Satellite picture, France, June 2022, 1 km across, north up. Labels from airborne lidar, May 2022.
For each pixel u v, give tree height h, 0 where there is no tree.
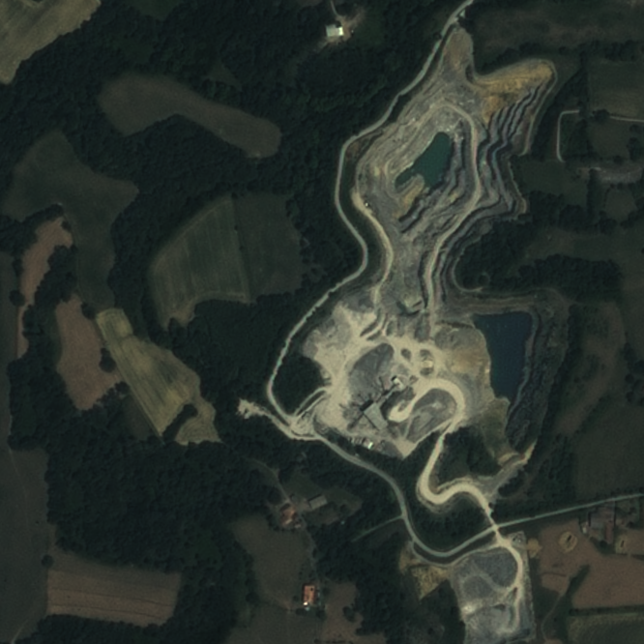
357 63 25
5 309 0
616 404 0
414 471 8
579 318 7
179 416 9
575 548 0
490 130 0
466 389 0
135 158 14
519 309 0
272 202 0
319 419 0
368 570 20
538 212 17
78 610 0
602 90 0
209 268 0
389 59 30
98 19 16
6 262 0
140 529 18
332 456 10
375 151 0
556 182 0
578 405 0
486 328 0
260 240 0
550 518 0
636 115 0
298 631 0
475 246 13
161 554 12
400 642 14
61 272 22
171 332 9
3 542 0
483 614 0
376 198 0
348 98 30
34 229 11
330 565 23
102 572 0
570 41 0
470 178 0
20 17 0
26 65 15
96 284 0
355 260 10
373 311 0
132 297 26
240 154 13
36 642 13
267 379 15
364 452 20
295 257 0
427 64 0
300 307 9
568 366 9
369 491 18
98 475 20
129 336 0
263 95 18
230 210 0
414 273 0
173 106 0
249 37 8
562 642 0
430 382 0
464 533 14
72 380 0
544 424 8
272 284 0
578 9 0
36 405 14
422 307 0
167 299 0
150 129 9
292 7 19
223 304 10
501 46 0
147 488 28
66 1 0
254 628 0
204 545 0
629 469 0
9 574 0
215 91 18
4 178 16
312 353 0
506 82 0
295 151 21
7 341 0
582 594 0
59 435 20
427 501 0
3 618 0
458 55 0
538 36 0
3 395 0
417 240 0
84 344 0
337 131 12
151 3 0
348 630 0
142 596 0
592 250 0
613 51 8
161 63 22
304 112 24
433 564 0
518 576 0
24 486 0
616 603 0
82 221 0
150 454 23
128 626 9
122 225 21
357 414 0
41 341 16
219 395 24
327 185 9
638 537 0
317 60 22
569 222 18
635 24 0
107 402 21
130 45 0
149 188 15
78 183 0
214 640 15
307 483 0
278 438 18
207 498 9
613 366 0
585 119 7
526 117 0
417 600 0
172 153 7
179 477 10
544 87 0
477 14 18
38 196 0
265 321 10
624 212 0
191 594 11
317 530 11
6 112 8
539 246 0
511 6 13
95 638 19
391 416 0
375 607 10
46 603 0
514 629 0
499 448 0
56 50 14
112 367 15
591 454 0
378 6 9
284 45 20
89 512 16
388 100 17
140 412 0
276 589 0
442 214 0
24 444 19
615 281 11
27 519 0
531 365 7
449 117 0
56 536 0
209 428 0
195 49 18
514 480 10
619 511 9
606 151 0
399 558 0
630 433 0
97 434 20
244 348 10
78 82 27
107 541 17
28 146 17
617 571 0
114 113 0
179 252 0
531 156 6
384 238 0
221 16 14
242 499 15
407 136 0
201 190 20
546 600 0
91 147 24
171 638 19
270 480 0
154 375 0
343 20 0
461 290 0
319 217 18
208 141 20
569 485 7
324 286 8
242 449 18
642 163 0
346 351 0
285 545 0
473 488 0
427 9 14
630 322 0
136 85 0
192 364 18
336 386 0
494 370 0
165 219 21
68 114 23
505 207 0
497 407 0
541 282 9
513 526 0
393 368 0
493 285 13
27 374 14
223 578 21
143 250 20
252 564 6
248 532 0
